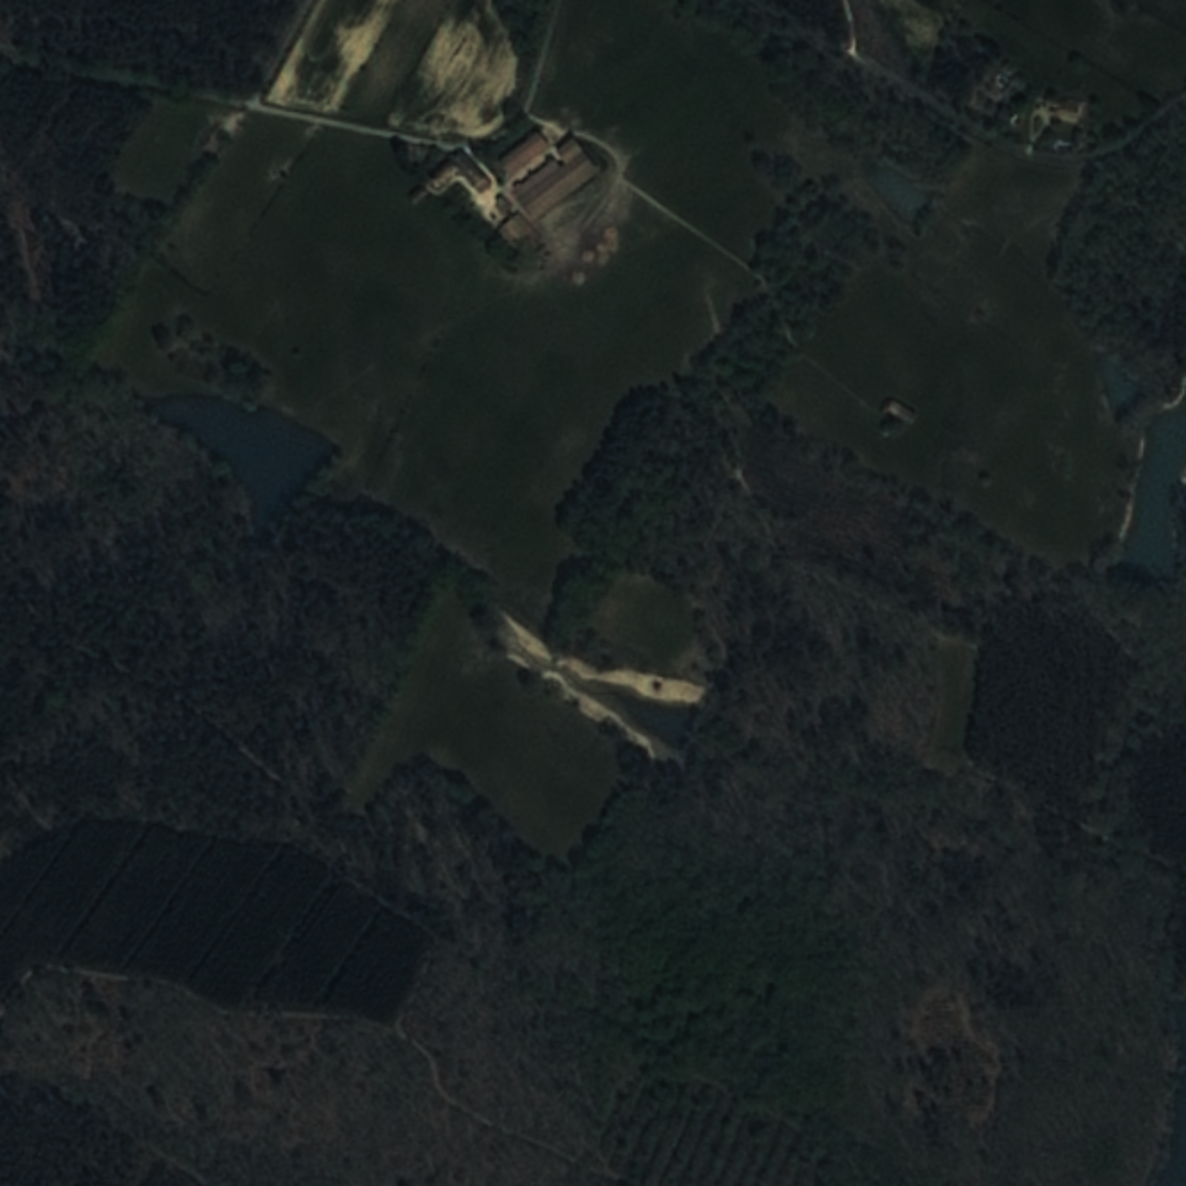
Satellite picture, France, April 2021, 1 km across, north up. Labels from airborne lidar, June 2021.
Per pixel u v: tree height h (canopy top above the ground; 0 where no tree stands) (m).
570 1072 16
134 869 7
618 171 0
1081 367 0
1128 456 0
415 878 13
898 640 12
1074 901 15
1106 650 19
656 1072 16
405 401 0
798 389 0
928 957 16
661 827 20
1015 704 19
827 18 17
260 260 0
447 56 0
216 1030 15
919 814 19
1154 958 12
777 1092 21
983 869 13
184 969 12
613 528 20
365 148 0
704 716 14
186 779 24
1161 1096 12
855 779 22
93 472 14
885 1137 17
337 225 0
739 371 7
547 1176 12
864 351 0
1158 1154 13
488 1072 12
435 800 19
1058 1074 16
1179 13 0
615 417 0
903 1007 15
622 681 0
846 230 21
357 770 16
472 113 0
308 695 14
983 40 7
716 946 20
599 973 16
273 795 11
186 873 12
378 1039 10
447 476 0
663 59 0
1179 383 6
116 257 10
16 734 21
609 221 0
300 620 15
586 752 0
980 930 18
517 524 0
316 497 15
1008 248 0
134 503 15
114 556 14
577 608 24
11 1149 24
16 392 31
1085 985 17
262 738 14
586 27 0
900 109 17
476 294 0
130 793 6
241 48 21
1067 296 19
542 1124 13
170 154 0
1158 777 18
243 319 0
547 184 0
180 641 27
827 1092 21
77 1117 22
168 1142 23
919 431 0
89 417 12
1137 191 21
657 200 0
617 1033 19
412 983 11
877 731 13
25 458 25
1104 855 16
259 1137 7
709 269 0
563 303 0
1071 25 0
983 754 17
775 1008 14
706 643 11
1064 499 0
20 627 25
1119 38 0
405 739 0
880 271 0
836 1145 19
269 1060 11
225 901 12
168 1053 14
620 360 0
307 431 0
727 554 7
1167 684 22
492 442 0
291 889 12
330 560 28
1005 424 0
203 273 0
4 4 24
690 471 11
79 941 12
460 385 0
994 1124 10
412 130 0
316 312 0
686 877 17
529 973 14
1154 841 12
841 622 16
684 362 0
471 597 17
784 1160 7
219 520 15
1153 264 17
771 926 19
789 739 14
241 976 13
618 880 20
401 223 0
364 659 12
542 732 0
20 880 12
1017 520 0
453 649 0
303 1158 12
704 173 0
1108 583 15
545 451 0
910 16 0
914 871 16
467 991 10
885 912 18
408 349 0
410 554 30
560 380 0
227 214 0
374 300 0
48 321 18
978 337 0
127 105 11
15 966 11
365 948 11
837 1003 22
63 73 28
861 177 0
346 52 0
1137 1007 18
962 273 0
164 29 16
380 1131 10
